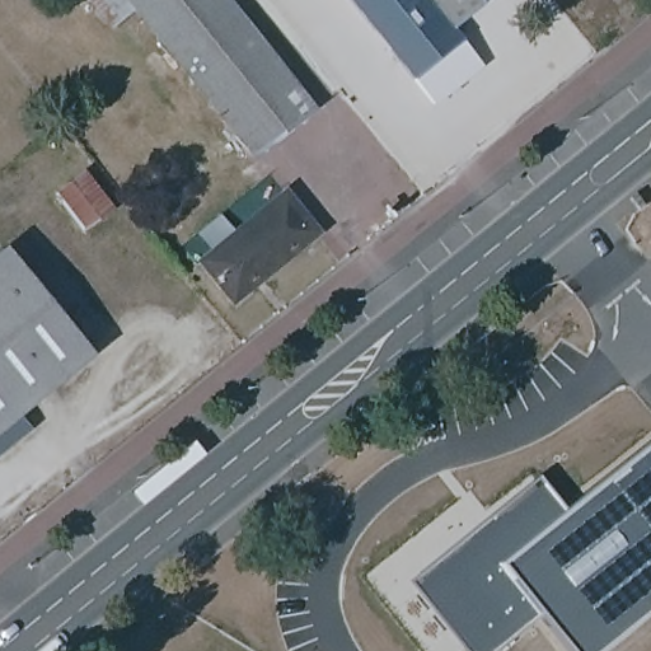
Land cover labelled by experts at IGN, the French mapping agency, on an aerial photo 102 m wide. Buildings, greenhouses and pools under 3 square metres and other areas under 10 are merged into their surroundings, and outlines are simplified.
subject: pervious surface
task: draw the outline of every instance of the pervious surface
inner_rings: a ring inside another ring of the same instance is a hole
[[[186,318],[175,318],[163,308],[125,313],[117,320],[120,336],[99,351],[99,356],[92,364],[92,376],[74,394],[56,397],[43,399],[41,407],[25,415],[36,430],[0,455],[0,519],[18,511],[41,483],[46,483],[53,473],[66,468],[69,460],[79,458],[86,448],[102,442],[130,427],[132,422],[142,420],[145,415],[155,412],[158,407],[163,407],[178,392],[183,392],[183,387],[191,379],[196,379],[201,371],[209,371],[216,364],[203,356],[201,348],[201,318],[191,313]]]

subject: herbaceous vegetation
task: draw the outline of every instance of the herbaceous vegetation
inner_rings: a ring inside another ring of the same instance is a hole
[[[76,140],[64,140],[48,142],[41,153],[31,155],[31,163],[18,168],[18,173],[0,181],[0,252],[15,249],[20,259],[33,270],[33,275],[43,282],[43,287],[66,310],[66,315],[76,323],[76,328],[86,336],[86,341],[99,351],[120,336],[117,320],[125,313],[163,308],[175,318],[186,318],[191,313],[201,318],[201,348],[203,356],[216,364],[224,359],[229,348],[247,346],[254,333],[259,333],[275,318],[285,315],[295,300],[300,300],[305,292],[326,282],[336,272],[333,254],[318,239],[300,257],[290,259],[285,267],[270,275],[254,292],[249,292],[242,300],[231,300],[209,272],[198,275],[193,270],[191,257],[183,252],[183,242],[188,242],[191,236],[201,236],[201,231],[214,219],[226,216],[226,209],[231,209],[234,201],[242,198],[254,183],[249,175],[242,173],[249,165],[247,158],[239,158],[234,150],[224,150],[224,130],[221,114],[214,104],[209,104],[209,99],[201,97],[196,81],[191,79],[191,71],[186,74],[178,66],[168,76],[155,74],[155,69],[147,64],[147,56],[158,53],[155,41],[150,25],[132,15],[127,15],[114,28],[109,18],[97,18],[86,13],[79,3],[66,15],[48,18],[33,0],[0,0],[0,165],[10,163],[18,150],[28,145],[25,132],[23,112],[28,94],[36,92],[46,79],[66,76],[66,89],[99,89],[109,107],[102,112],[99,120],[89,120],[86,127],[86,137],[99,153],[99,163],[92,165],[89,155]],[[181,224],[175,224],[175,234],[163,234],[160,239],[178,254],[181,264],[186,267],[193,282],[203,282],[203,287],[186,290],[150,254],[140,234],[142,229],[130,219],[130,206],[120,203],[117,183],[125,183],[135,165],[145,165],[147,160],[155,165],[181,163],[186,178],[191,181],[191,191],[198,193],[198,206]],[[94,229],[79,231],[53,196],[64,193],[71,178],[81,178],[89,170],[99,188],[109,196],[109,201],[120,203]]]
[[[544,298],[539,310],[526,313],[521,315],[521,331],[516,333],[496,333],[478,323],[463,328],[445,348],[437,348],[437,356],[488,371],[491,381],[506,387],[506,404],[516,399],[516,392],[529,387],[537,356],[552,359],[557,353],[557,346],[570,346],[580,356],[593,353],[587,348],[587,341],[595,338],[593,318],[585,303],[565,280],[557,280],[552,285],[552,292]]]
[[[476,496],[481,506],[496,504],[524,478],[534,476],[547,476],[567,504],[575,504],[582,496],[580,486],[585,481],[593,481],[598,473],[618,463],[631,448],[638,445],[638,440],[646,432],[651,432],[651,409],[633,387],[615,387],[605,397],[600,397],[598,402],[593,402],[590,407],[554,427],[552,432],[526,445],[519,445],[493,458],[448,468],[458,478],[458,483]]]
[[[76,628],[58,643],[56,651],[290,651],[277,613],[280,585],[280,580],[270,580],[264,572],[236,570],[231,539],[226,539],[216,549],[219,559],[209,572],[209,582],[201,582],[198,587],[183,593],[163,593],[155,585],[155,577],[132,577],[125,587],[125,598],[135,615],[132,623],[125,628],[104,628]]]
[[[636,236],[636,252],[651,257],[651,201],[641,201],[626,216],[623,224],[623,231],[631,229],[631,234]]]
[[[56,397],[74,394],[92,376],[92,364],[76,366],[66,384],[56,387]]]
[[[417,381],[402,376],[399,384],[407,394],[404,409],[420,430],[425,425],[440,422],[440,417],[442,399],[432,384],[432,366]]]
[[[631,623],[600,651],[651,651],[651,610],[643,613],[636,623]]]
[[[628,31],[631,20],[620,13],[620,5],[626,0],[577,0],[565,10],[565,15],[587,38],[593,48],[610,46],[623,31]]]
[[[542,628],[531,628],[529,623],[524,623],[516,633],[511,633],[511,638],[506,638],[493,651],[554,651],[549,643],[549,636],[554,633],[552,626],[544,623]]]
[[[369,580],[369,575],[402,544],[417,537],[427,524],[432,524],[440,514],[455,506],[458,498],[442,483],[440,473],[430,473],[407,486],[404,491],[399,491],[394,498],[389,498],[361,526],[361,531],[356,531],[356,537],[351,537],[351,493],[361,491],[376,473],[381,473],[387,465],[402,458],[399,450],[369,445],[369,422],[361,427],[348,427],[351,440],[361,445],[361,453],[356,458],[331,453],[326,458],[328,473],[303,486],[272,486],[254,506],[264,509],[280,504],[285,496],[310,496],[320,544],[331,547],[351,542],[341,565],[343,570],[348,570],[348,577],[346,598],[338,603],[338,608],[356,651],[425,651],[425,646],[394,613],[389,600]]]
[[[64,491],[74,491],[81,478],[86,478],[94,470],[94,465],[104,455],[102,442],[86,448],[79,458],[69,460],[66,468],[53,473],[46,483],[41,483],[18,511],[0,519],[0,544],[10,539],[18,529],[36,521],[38,516],[51,529],[64,521],[66,514],[58,509],[56,501]]]

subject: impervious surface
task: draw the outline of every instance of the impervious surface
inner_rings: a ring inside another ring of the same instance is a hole
[[[94,465],[94,470],[86,478],[81,478],[74,491],[64,491],[56,501],[58,509],[66,514],[64,521],[69,537],[74,537],[74,547],[69,552],[48,549],[51,529],[38,516],[36,521],[18,529],[10,539],[0,544],[0,651],[56,651],[58,643],[76,628],[104,628],[107,618],[102,618],[102,613],[107,600],[125,598],[125,587],[132,577],[155,577],[158,565],[170,557],[186,559],[188,567],[193,567],[193,572],[209,572],[219,559],[216,549],[226,539],[231,539],[242,524],[242,516],[254,506],[272,486],[303,486],[328,473],[326,458],[331,453],[323,435],[333,427],[333,422],[343,422],[348,427],[361,427],[369,422],[366,415],[371,412],[371,394],[381,394],[384,389],[394,392],[399,384],[402,376],[417,381],[432,366],[437,356],[437,348],[445,348],[463,328],[478,323],[478,300],[491,290],[509,290],[514,305],[526,313],[539,310],[544,298],[552,292],[552,285],[557,280],[565,280],[585,303],[593,318],[595,338],[587,341],[587,348],[593,353],[580,356],[570,346],[557,346],[557,353],[552,359],[537,356],[529,387],[516,392],[516,399],[506,404],[504,409],[496,409],[496,420],[491,425],[483,425],[481,430],[458,432],[453,420],[440,417],[440,422],[425,425],[420,430],[422,448],[402,458],[387,465],[381,473],[376,473],[361,491],[351,493],[351,537],[356,537],[356,531],[361,531],[361,526],[389,498],[394,498],[399,491],[404,491],[407,486],[430,473],[440,473],[442,483],[458,498],[455,506],[440,514],[432,524],[427,524],[417,537],[402,544],[369,575],[369,580],[389,600],[394,613],[425,646],[425,651],[460,651],[460,638],[450,631],[448,620],[432,608],[430,598],[417,590],[415,577],[420,577],[437,559],[442,559],[481,524],[496,519],[496,514],[504,506],[509,506],[534,483],[534,476],[524,478],[496,504],[481,506],[476,496],[458,483],[458,478],[448,468],[493,458],[519,445],[526,445],[552,432],[554,427],[590,407],[593,402],[598,402],[600,397],[605,397],[615,387],[633,387],[651,409],[651,257],[636,252],[636,236],[631,234],[631,229],[623,231],[623,224],[626,216],[641,201],[651,201],[651,13],[643,10],[636,20],[631,20],[628,31],[623,31],[610,46],[593,48],[587,38],[565,15],[565,10],[577,0],[531,0],[537,15],[549,31],[537,36],[537,41],[529,41],[519,31],[519,0],[486,0],[476,10],[473,20],[465,20],[453,28],[453,38],[458,43],[470,43],[473,51],[481,56],[483,66],[468,79],[465,102],[458,102],[453,107],[437,107],[427,104],[417,89],[409,86],[415,76],[394,56],[392,46],[366,20],[366,15],[353,0],[239,0],[249,20],[259,28],[259,33],[270,41],[270,46],[277,51],[277,56],[287,64],[287,69],[295,74],[300,86],[313,99],[308,112],[300,112],[300,122],[287,127],[287,140],[275,145],[272,158],[249,165],[242,173],[249,175],[254,183],[264,175],[287,183],[295,191],[295,196],[308,206],[313,219],[326,229],[318,239],[333,254],[336,272],[326,282],[305,292],[300,300],[295,300],[285,315],[275,318],[259,333],[254,333],[247,346],[229,348],[224,359],[216,364],[209,371],[201,371],[196,379],[191,379],[183,387],[183,392],[178,392],[163,407],[158,407],[155,412],[145,415],[142,420],[132,422],[130,427],[102,442],[104,455]],[[539,165],[524,170],[519,165],[519,155],[529,142],[534,142],[544,158]],[[326,341],[315,338],[305,328],[315,308],[320,308],[323,303],[343,308],[341,331]],[[267,361],[267,353],[272,348],[280,348],[282,341],[292,348],[298,364],[295,374],[290,379],[267,379],[262,374],[262,366]],[[209,399],[234,402],[236,417],[226,430],[211,430],[201,422],[203,404]],[[186,455],[158,468],[153,463],[153,453],[168,432],[175,437],[175,445],[186,448]]]
[[[79,3],[86,13],[97,18],[109,18],[114,28],[127,15],[132,15],[137,5],[132,0],[79,0]]]
[[[290,651],[356,651],[338,608],[338,603],[346,598],[348,577],[348,570],[343,570],[341,565],[351,542],[331,547],[320,544],[318,559],[313,562],[313,570],[308,575],[308,585],[280,585],[277,613]]]
[[[224,130],[224,150],[234,150],[239,158],[247,158],[249,147],[231,130]]]
[[[168,76],[178,66],[178,61],[165,51],[165,46],[155,41],[158,53],[147,56],[147,64],[155,69],[155,74]]]

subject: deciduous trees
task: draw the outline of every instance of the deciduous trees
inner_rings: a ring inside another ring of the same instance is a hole
[[[153,453],[153,463],[158,468],[186,455],[186,448],[175,445],[175,437],[168,432]]]
[[[295,374],[298,364],[292,348],[282,341],[280,348],[272,348],[267,353],[267,361],[262,366],[262,374],[267,379],[290,379]]]
[[[341,331],[343,308],[323,303],[320,308],[315,308],[305,328],[315,338],[326,341]]]
[[[549,31],[537,15],[531,0],[519,0],[519,31],[529,41],[537,41],[537,36]]]
[[[125,183],[117,183],[120,203],[130,206],[130,219],[142,229],[158,234],[160,239],[163,234],[175,234],[175,224],[181,224],[198,206],[198,193],[191,191],[191,181],[186,178],[181,163],[155,165],[147,160],[145,165],[135,165]]]
[[[399,384],[394,392],[384,389],[381,394],[371,394],[371,412],[366,415],[369,422],[369,445],[399,450],[402,458],[422,448],[420,430],[404,409],[407,394]]]
[[[534,142],[529,142],[519,155],[519,165],[524,170],[539,165],[544,158]]]
[[[521,315],[526,313],[514,305],[509,290],[491,290],[478,300],[478,323],[496,333],[516,333],[521,331]]]
[[[361,445],[351,440],[348,427],[343,422],[333,422],[333,427],[323,435],[331,453],[356,458],[361,453]]]
[[[66,15],[79,3],[79,0],[33,0],[48,18]]]
[[[135,615],[125,598],[107,600],[102,613],[102,618],[107,618],[104,628],[125,628],[132,623]]]
[[[211,430],[226,430],[236,417],[234,402],[209,399],[203,404],[201,422]]]
[[[193,572],[193,567],[188,567],[186,559],[170,557],[158,565],[155,577],[155,585],[163,593],[183,593],[198,587],[201,582],[209,582],[209,572]]]
[[[483,425],[491,425],[496,420],[496,409],[504,409],[506,404],[506,387],[491,381],[488,371],[437,356],[432,366],[432,384],[442,399],[440,417],[453,420],[458,432],[481,430]]]
[[[86,127],[89,120],[99,120],[102,112],[109,107],[99,89],[66,89],[66,76],[46,79],[36,92],[28,94],[23,112],[25,132],[41,130],[48,137],[64,132],[64,140],[76,140],[89,155],[92,165],[99,163],[99,153],[86,137]]]
[[[254,506],[242,516],[242,524],[231,539],[236,570],[264,572],[270,580],[280,580],[280,585],[308,585],[308,575],[313,570],[313,562],[318,559],[320,544],[310,496],[285,496],[280,504],[264,509]]]
[[[69,552],[74,547],[74,537],[69,537],[64,521],[51,529],[48,549]]]

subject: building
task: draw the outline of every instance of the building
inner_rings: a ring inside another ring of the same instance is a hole
[[[201,231],[201,236],[191,236],[188,242],[183,242],[183,252],[191,257],[193,270],[198,275],[209,272],[231,300],[242,300],[249,292],[254,292],[270,275],[285,267],[290,259],[300,257],[318,239],[326,229],[313,219],[308,206],[295,196],[295,191],[287,183],[264,175],[254,183],[242,198],[234,201],[231,209],[226,209],[226,216],[214,219]]]
[[[275,145],[287,140],[287,127],[300,122],[300,112],[308,112],[313,99],[300,86],[295,74],[287,69],[287,64],[277,56],[277,51],[270,46],[270,41],[259,33],[259,28],[249,20],[239,0],[132,0],[137,5],[132,15],[150,25],[155,41],[165,46],[165,51],[178,61],[178,66],[186,74],[191,71],[191,79],[196,81],[201,97],[209,99],[209,104],[214,104],[221,114],[224,130],[231,130],[249,147],[247,158],[249,165],[272,158]]]
[[[20,259],[15,249],[0,252],[0,455],[36,430],[25,415],[41,407],[43,399],[56,397],[56,387],[66,384],[76,366],[92,364],[99,356],[99,351],[86,341],[86,336],[76,328],[76,323],[66,315],[66,310],[43,287],[43,282],[33,275],[33,270]]]
[[[89,170],[81,178],[71,178],[64,193],[53,196],[79,231],[94,229],[120,203],[109,201],[109,196],[99,188]]]
[[[549,643],[554,651],[600,651],[631,623],[636,623],[643,613],[651,610],[651,432],[646,432],[638,440],[638,445],[631,448],[618,463],[598,473],[593,481],[585,481],[580,486],[582,496],[575,504],[567,504],[547,476],[534,476],[534,483],[509,506],[504,506],[496,514],[496,519],[481,524],[442,559],[437,559],[420,577],[415,577],[417,590],[430,598],[432,608],[448,620],[450,631],[460,638],[460,651],[493,651],[506,638],[511,638],[511,633],[516,633],[524,623],[529,623],[531,628],[542,628],[544,623],[552,626],[554,633],[549,636]]]
[[[409,86],[417,89],[427,104],[437,107],[453,107],[458,102],[465,102],[468,79],[483,66],[481,56],[473,51],[470,43],[458,43],[453,38],[453,28],[465,20],[473,20],[476,10],[486,0],[353,0],[366,15],[366,20],[392,46],[394,56],[415,76]]]

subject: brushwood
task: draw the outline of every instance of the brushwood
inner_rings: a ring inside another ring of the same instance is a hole
[[[64,132],[48,137],[41,130],[25,132],[28,145],[18,150],[10,163],[0,165],[0,181],[18,173],[18,168],[31,163],[31,155],[41,153],[48,142],[64,140]]]
[[[626,0],[620,5],[620,13],[631,20],[636,20],[643,10],[651,13],[651,0]]]
[[[160,239],[158,234],[142,229],[140,234],[150,254],[186,290],[203,287],[203,282],[193,282],[186,267],[181,264],[178,254]]]

